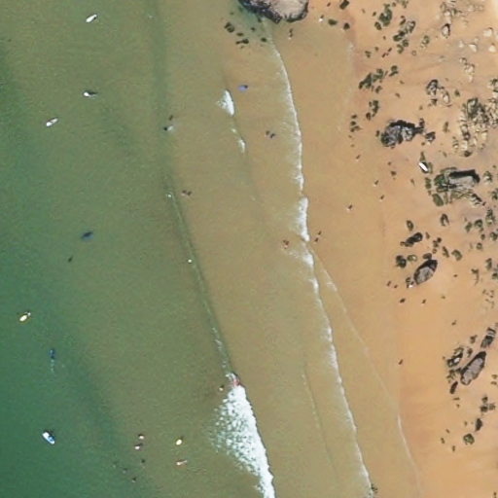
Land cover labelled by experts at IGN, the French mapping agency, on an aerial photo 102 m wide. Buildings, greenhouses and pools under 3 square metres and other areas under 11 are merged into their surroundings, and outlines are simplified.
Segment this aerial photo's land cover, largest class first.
<instances>
[{"label":"water","instance_id":"1","mask_svg":"<svg viewBox=\"0 0 498 498\"><path fill-rule=\"evenodd\" d=\"M237 0H0V498H348L344 490L333 492L325 480L311 477L309 457L303 445L302 424L296 418V412L292 410V403L284 395L286 356L282 352V340L286 313L276 302L282 284L268 274L263 261L251 251V243L245 237L247 230L239 224L235 214V187L239 181V165L237 156H231L226 142V107L216 68L224 64V47L218 41V33L226 27L230 8Z\"/></svg>","mask_w":498,"mask_h":498},{"label":"bare soil","instance_id":"2","mask_svg":"<svg viewBox=\"0 0 498 498\"><path fill-rule=\"evenodd\" d=\"M218 41L224 47V64L216 68L226 107V142L231 156H237L239 165V181L235 187V214L239 224L247 230L245 237L251 243V251L263 261L268 274L282 284L276 302L286 313L282 340V352L286 356L284 395L292 403V410L296 412V418L302 424L303 445L309 457L311 477L325 480L333 492L344 490L348 498H498V0H237L230 8L226 27L218 33Z\"/></svg>","mask_w":498,"mask_h":498}]
</instances>
